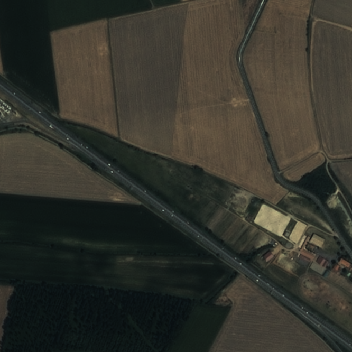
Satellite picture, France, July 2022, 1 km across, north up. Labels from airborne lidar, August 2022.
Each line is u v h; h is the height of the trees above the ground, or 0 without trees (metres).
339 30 0
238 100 0
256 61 0
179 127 0
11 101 0
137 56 0
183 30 0
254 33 0
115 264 0
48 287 19
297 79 0
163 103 0
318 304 0
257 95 0
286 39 0
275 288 0
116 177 0
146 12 0
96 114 0
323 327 0
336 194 0
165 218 0
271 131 0
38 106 0
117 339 13
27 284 7
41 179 0
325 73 0
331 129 0
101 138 0
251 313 0
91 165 7
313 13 0
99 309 25
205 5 0
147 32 0
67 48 0
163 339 20
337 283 0
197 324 0
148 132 0
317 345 0
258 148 0
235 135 0
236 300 0
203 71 0
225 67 0
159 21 0
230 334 0
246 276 8
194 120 0
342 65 0
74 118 0
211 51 0
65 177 0
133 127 0
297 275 0
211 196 0
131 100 0
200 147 0
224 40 0
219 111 0
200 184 0
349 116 0
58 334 21
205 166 0
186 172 0
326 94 0
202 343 0
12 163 0
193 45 0
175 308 25
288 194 0
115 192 0
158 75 0
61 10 0
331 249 0
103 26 0
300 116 0
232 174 0
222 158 0
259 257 0
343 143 0
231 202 0
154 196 0
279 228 0
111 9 0
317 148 0
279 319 0
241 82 0
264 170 0
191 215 0
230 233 0
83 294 23
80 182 0
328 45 0
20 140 0
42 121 0
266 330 0
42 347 20
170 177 0
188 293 0
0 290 0
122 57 0
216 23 0
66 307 21
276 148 0
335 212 0
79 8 0
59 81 0
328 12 0
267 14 0
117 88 0
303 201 0
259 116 0
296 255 0
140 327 21
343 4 0
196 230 0
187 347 0
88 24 0
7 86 0
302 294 0
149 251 0
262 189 0
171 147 0
